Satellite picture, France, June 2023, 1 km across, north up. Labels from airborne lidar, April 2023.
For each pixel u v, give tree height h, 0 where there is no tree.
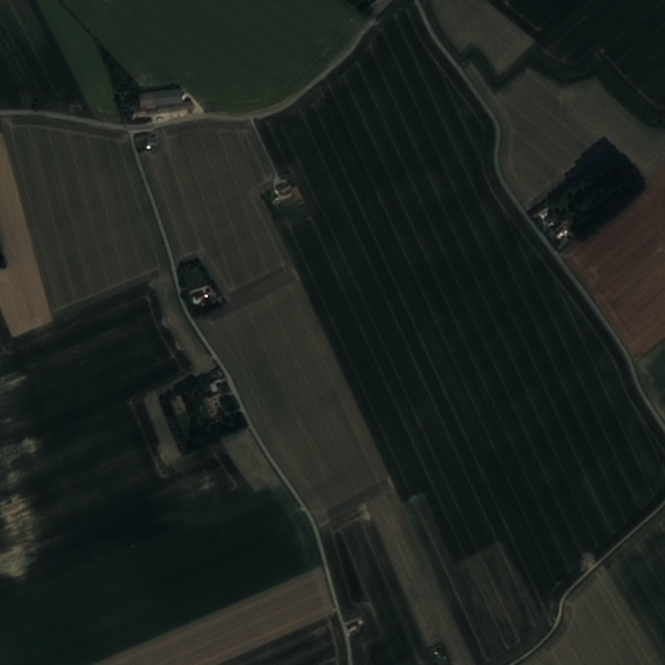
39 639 0
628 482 0
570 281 0
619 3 0
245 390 0
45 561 0
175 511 0
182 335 0
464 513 0
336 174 0
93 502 0
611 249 0
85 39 0
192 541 0
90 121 0
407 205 0
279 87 0
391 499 0
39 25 0
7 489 0
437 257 0
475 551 0
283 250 0
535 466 0
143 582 0
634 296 0
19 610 0
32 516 0
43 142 0
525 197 0
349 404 0
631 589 0
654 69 0
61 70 0
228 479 0
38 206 0
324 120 0
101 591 0
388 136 0
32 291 0
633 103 0
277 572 0
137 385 0
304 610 0
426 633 0
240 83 0
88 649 0
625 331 0
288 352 0
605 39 0
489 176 0
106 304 0
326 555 0
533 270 0
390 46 0
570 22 0
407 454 0
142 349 0
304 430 0
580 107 0
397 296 0
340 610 0
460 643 0
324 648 0
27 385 0
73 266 0
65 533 0
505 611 0
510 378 0
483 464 0
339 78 0
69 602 0
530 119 0
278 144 0
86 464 0
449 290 0
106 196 0
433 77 0
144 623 0
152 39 0
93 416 0
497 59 0
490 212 0
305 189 0
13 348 0
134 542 0
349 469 0
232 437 0
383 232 0
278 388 0
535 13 0
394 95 0
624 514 0
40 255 0
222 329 0
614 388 0
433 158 0
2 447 0
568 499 0
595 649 0
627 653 0
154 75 0
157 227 0
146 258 0
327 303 0
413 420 0
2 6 0
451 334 0
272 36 0
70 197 0
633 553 0
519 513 0
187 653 0
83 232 0
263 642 0
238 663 0
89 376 0
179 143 0
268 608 0
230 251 0
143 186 0
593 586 0
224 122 0
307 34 0
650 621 0
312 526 0
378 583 0
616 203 29
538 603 0
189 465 0
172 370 0
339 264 0
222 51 0
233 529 0
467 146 0
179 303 0
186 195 0
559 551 0
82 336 0
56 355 0
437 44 0
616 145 0
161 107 0
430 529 0
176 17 0
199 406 0
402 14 0
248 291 0
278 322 0
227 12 0
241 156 0
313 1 0
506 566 0
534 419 0
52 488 0
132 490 0
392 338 0
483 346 0
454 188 0
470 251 0
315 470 0
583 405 0
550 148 0
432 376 0
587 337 0
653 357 0
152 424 0
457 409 0
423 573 0
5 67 0
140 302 0
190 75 0
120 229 0
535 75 0
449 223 0
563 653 0
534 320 0
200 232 0
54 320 0
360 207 0
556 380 0
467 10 0
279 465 0
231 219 0
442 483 0
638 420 0
